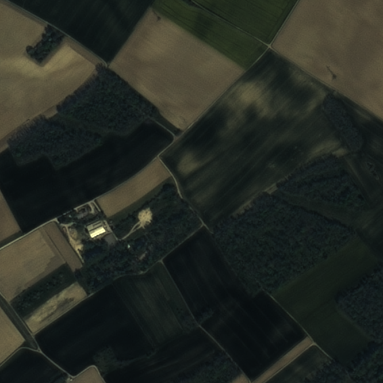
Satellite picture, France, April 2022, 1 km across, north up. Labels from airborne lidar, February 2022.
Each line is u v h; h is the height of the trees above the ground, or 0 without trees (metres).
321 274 0
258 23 0
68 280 0
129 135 0
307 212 23
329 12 0
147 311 0
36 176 0
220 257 0
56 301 0
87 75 0
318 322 0
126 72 0
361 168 0
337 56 0
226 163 0
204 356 0
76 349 0
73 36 0
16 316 0
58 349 0
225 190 0
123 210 0
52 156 18
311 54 0
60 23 0
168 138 0
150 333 0
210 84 0
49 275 0
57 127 25
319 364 0
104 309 0
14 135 0
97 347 0
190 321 24
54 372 0
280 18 0
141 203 0
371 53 0
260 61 0
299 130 0
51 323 0
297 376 0
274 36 0
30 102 0
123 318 0
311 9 0
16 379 0
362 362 23
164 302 0
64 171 0
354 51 0
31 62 0
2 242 0
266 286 19
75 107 24
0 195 0
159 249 30
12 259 0
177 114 0
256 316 0
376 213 0
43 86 0
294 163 0
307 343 0
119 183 0
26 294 0
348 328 0
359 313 30
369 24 0
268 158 0
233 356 0
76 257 0
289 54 0
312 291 0
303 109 0
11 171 0
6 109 0
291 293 0
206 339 0
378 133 0
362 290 14
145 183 0
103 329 0
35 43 0
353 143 22
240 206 0
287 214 23
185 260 0
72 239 0
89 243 13
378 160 0
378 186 0
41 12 0
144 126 0
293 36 0
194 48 0
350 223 0
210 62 0
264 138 0
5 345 0
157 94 0
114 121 22
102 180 0
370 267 0
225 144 0
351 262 0
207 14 0
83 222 12
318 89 0
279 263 24
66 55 0
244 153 0
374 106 0
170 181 0
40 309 0
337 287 0
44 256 0
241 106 0
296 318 0
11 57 0
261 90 0
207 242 0
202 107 0
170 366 0
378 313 26
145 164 0
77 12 0
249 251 21
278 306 0
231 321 0
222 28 0
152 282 0
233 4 0
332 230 24
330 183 27
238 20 0
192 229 25
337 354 0
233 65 0
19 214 0
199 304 0
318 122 0
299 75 0
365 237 0
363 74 0
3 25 0
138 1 0
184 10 0
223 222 0
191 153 0
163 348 0
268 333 0
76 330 0
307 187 23
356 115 0
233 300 0
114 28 0
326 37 0
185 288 0
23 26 0
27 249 0
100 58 0
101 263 18
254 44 0
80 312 0
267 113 0
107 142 0
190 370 0
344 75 0
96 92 23
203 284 0
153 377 0
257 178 0
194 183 0
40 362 0
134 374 0
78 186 0
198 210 0
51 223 0
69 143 27
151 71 0
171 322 0
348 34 0
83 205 0
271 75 0
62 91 0
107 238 0
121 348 0
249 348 0
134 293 0
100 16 0
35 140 27
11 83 0
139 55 0
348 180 27
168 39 0
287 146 0
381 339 29
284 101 0
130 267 14
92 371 0
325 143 0
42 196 0
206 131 0
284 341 0
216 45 0
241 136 0
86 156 0
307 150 0
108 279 23
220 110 0
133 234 0
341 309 21
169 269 0
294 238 31
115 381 0
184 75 0
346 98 0
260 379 0
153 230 0
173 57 0
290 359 0
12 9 0
